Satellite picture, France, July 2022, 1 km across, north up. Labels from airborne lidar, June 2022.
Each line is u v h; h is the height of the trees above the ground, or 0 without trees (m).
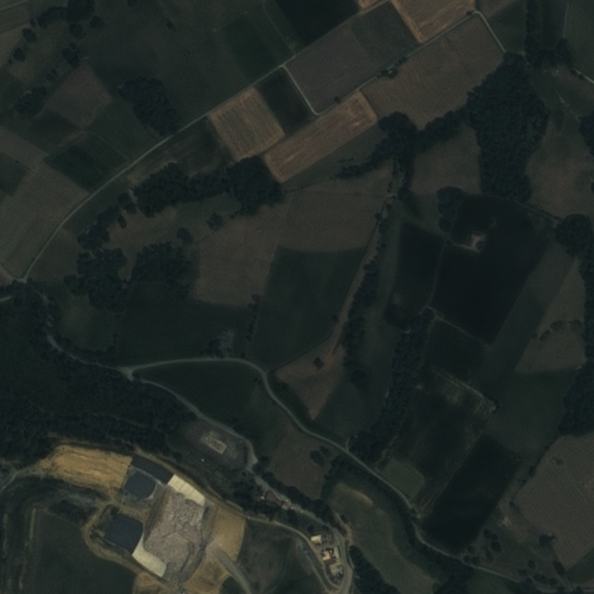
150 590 0
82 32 15
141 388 18
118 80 0
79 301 0
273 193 19
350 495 0
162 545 0
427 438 0
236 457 0
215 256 0
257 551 0
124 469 0
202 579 0
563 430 17
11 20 0
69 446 0
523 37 0
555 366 0
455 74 0
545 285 0
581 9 0
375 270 10
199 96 0
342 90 0
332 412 0
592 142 24
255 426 0
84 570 0
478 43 0
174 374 0
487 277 0
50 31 0
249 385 0
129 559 0
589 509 0
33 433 19
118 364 11
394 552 0
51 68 0
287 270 0
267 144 0
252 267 0
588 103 0
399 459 0
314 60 0
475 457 0
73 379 21
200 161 0
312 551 0
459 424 0
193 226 0
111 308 21
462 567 16
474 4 0
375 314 0
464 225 0
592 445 0
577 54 0
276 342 0
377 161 12
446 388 0
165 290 0
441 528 0
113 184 0
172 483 0
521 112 21
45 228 0
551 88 0
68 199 0
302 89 0
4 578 0
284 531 0
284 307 0
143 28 0
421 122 0
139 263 12
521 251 0
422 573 0
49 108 0
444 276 0
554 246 0
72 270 0
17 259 0
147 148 0
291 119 0
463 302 0
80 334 0
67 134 0
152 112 23
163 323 0
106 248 0
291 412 0
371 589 20
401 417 17
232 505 0
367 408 0
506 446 0
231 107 0
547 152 0
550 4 0
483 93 19
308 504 22
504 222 0
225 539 0
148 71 0
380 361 0
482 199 0
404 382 16
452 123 20
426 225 0
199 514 0
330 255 0
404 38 0
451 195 20
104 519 0
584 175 0
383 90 0
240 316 0
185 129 0
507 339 0
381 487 13
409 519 15
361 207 0
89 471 0
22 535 0
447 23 0
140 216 0
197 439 0
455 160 0
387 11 0
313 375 0
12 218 0
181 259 8
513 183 19
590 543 0
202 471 0
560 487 0
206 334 0
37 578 0
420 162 0
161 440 18
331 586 0
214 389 0
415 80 0
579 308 0
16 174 0
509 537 0
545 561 0
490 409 0
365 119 0
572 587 0
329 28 0
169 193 18
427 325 13
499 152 18
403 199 18
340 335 0
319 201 0
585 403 25
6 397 21
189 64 0
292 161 0
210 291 0
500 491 0
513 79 12
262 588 0
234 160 0
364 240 0
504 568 0
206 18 0
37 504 0
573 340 0
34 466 0
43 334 28
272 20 0
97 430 23
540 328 0
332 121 0
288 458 0
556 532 0
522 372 0
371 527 0
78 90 0
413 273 0
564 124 0
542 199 0
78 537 0
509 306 0
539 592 18
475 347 0
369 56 0
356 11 0
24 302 21
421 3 0
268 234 0
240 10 0
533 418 0
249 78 0
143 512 0
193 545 0
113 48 0
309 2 0
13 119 0
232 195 16
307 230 0
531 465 0
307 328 0
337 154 0
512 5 0
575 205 0
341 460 6
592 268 12
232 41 0
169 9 0
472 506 0
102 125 0
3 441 23
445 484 0
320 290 0
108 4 0
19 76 0
